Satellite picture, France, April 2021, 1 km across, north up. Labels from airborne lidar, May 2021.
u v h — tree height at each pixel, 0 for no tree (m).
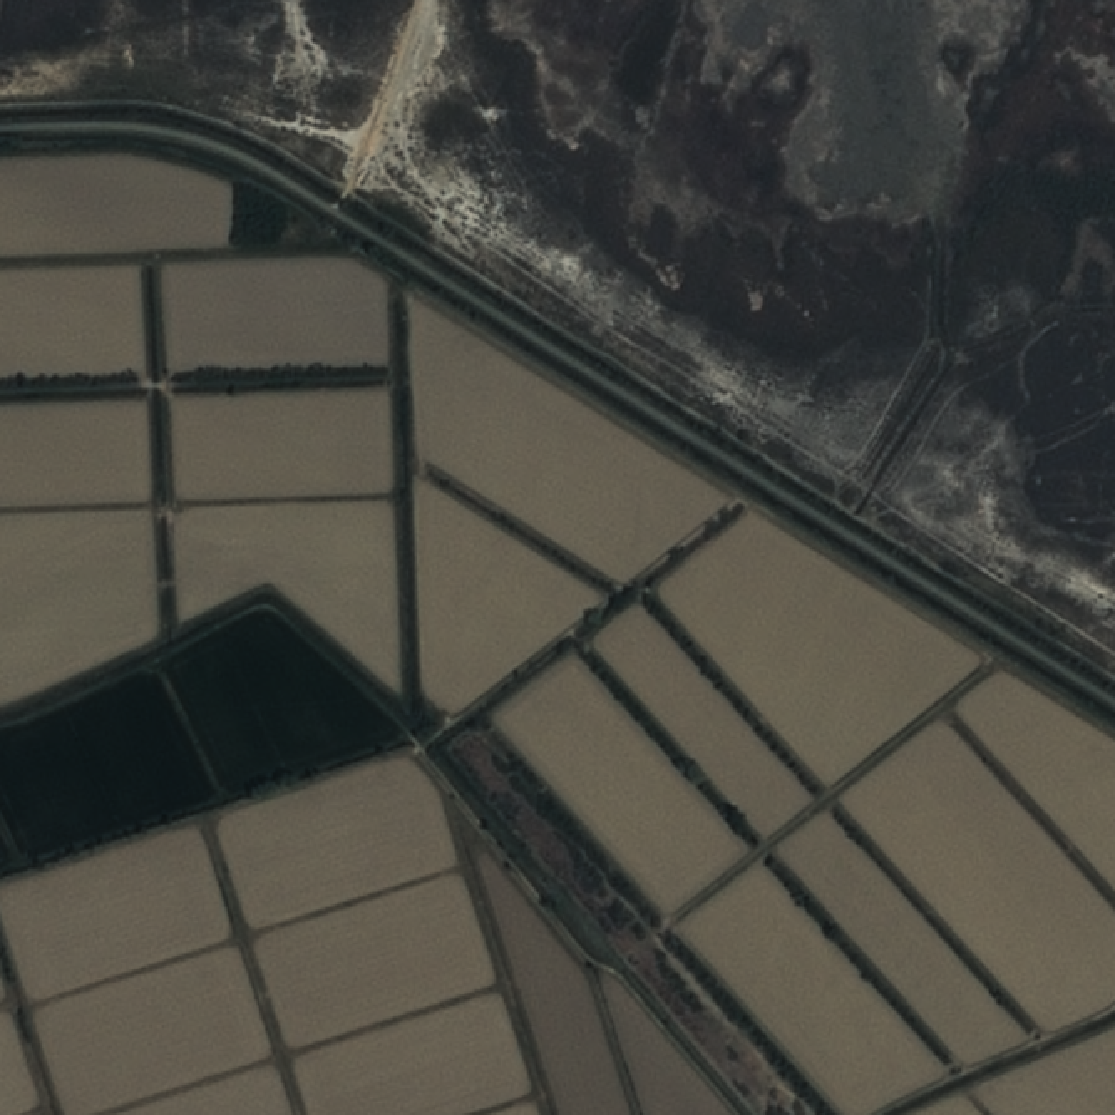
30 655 0
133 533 0
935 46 0
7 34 0
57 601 0
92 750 0
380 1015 0
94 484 0
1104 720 0
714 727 0
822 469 0
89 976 0
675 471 0
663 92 0
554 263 0
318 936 0
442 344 0
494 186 0
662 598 0
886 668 0
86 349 0
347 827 0
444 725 0
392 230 7
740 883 0
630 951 0
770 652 0
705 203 0
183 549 0
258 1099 0
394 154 0
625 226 0
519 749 0
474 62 0
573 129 0
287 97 0
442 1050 0
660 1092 0
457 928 0
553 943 0
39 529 0
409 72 0
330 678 0
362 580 0
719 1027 0
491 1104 0
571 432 0
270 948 0
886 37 0
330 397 0
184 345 0
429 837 0
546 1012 0
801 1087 6
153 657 0
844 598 0
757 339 0
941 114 0
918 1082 0
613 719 0
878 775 0
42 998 0
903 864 0
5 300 0
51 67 0
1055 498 0
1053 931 0
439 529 0
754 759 0
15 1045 0
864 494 0
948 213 0
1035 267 0
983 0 0
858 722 0
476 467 0
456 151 0
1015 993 0
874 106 0
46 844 0
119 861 0
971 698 0
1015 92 0
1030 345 0
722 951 0
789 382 0
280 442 0
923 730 0
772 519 0
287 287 0
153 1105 0
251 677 0
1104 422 0
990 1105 0
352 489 0
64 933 0
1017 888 0
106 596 0
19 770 0
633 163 0
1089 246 0
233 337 0
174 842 0
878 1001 0
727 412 0
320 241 0
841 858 0
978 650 0
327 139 0
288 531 0
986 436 0
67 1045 0
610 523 0
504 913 0
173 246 0
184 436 0
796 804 0
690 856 0
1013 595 0
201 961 0
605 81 0
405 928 0
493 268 0
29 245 0
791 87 0
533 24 0
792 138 0
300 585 0
